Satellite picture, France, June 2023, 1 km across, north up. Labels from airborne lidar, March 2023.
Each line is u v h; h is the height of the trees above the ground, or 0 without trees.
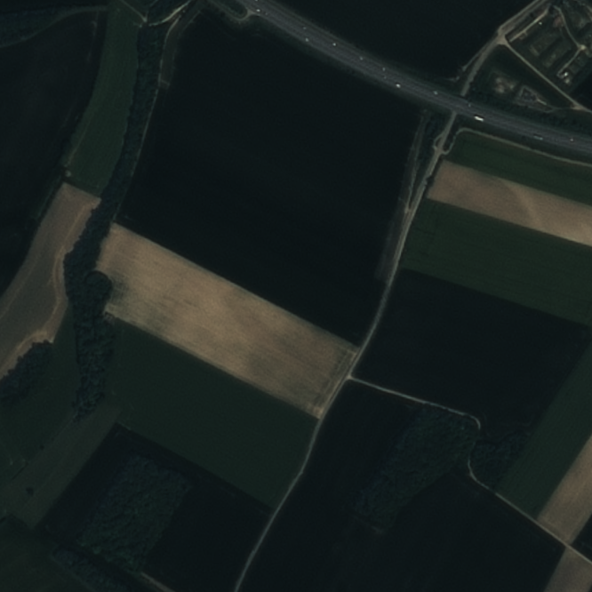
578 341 0
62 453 0
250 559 0
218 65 0
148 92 12
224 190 0
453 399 0
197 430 0
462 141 0
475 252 0
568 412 0
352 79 0
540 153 0
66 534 0
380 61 0
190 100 0
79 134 0
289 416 0
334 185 0
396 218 0
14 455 0
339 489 0
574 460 0
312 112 0
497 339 0
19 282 0
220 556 0
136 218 0
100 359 17
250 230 0
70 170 0
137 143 11
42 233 0
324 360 0
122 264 0
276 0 0
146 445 0
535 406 0
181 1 7
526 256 0
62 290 0
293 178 0
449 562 0
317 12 0
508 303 0
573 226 0
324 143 0
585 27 0
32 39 0
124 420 0
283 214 0
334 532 0
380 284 0
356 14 0
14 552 0
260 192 0
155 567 0
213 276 0
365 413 0
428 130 6
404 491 17
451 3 0
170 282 0
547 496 0
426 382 0
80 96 0
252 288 0
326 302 0
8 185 0
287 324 0
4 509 0
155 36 9
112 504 17
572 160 0
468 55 0
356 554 0
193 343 0
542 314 0
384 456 0
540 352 0
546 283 0
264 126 0
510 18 0
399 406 0
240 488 0
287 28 0
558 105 0
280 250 0
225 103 0
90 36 0
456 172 0
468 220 0
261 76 0
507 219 0
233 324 0
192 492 0
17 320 0
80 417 6
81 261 17
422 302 0
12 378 20
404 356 0
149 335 0
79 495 0
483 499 0
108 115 0
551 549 0
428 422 18
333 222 0
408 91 0
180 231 0
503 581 0
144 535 15
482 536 0
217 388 0
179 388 0
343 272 0
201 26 0
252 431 0
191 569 0
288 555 0
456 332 0
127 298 0
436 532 0
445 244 0
